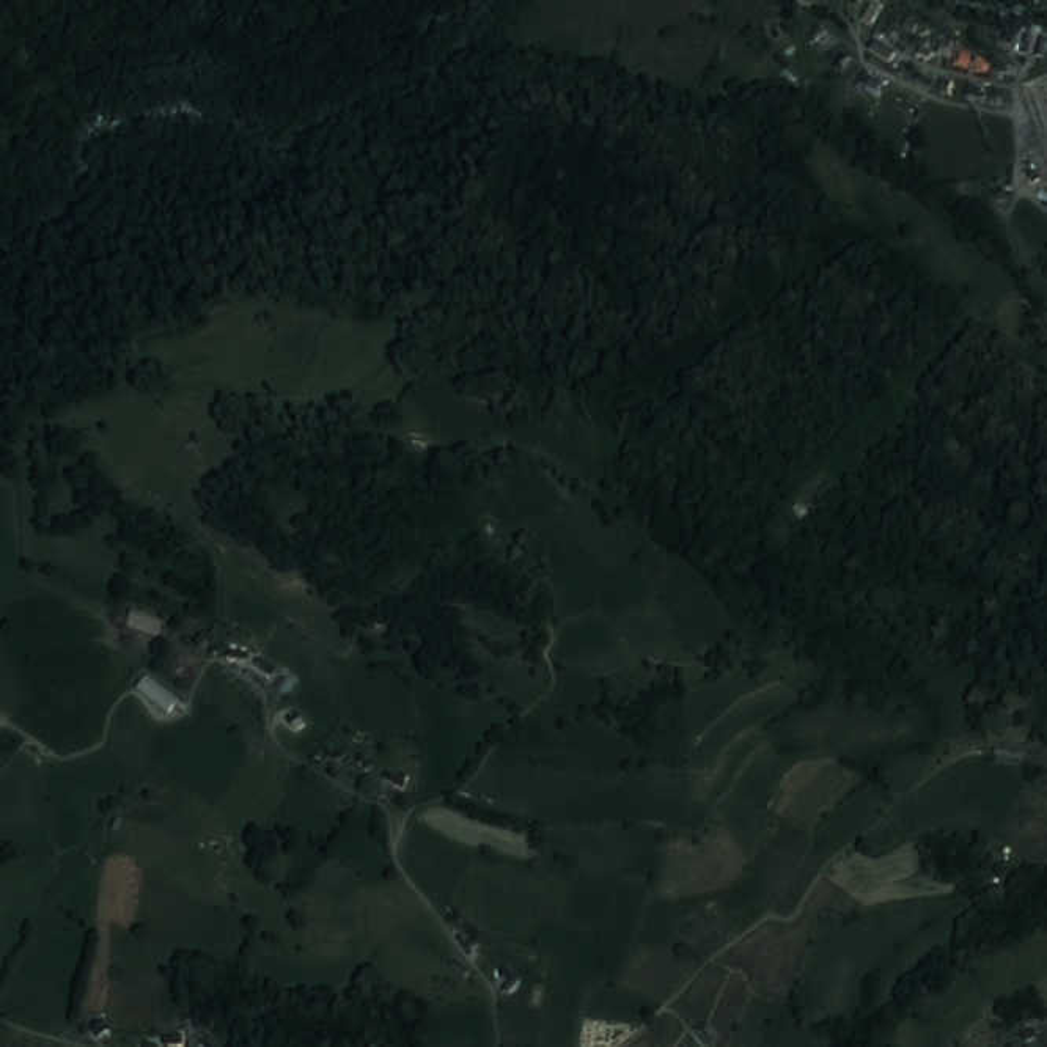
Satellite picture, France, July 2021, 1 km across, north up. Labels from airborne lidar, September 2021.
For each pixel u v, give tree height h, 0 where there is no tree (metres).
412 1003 13
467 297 28
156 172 24
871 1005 8
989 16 19
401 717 0
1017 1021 8
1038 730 8
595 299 26
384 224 22
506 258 32
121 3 24
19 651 0
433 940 0
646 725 10
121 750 0
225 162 8
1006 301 0
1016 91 0
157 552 13
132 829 0
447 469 27
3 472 12
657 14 0
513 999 0
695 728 0
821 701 10
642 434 16
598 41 0
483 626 0
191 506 0
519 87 21
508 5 23
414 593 8
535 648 12
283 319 0
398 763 0
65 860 0
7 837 0
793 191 22
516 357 13
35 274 23
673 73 0
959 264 0
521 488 0
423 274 25
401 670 12
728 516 8
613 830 0
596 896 0
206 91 31
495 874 0
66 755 0
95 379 26
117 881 0
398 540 13
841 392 17
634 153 18
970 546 27
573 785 0
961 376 24
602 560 0
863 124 7
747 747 0
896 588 7
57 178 27
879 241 14
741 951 0
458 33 24
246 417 22
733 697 0
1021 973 0
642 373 11
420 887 0
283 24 34
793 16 9
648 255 11
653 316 22
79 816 0
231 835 0
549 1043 0
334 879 0
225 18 28
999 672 8
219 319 0
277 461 11
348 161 28
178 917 0
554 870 0
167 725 0
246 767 0
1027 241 0
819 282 15
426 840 0
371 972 20
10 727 0
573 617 0
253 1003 17
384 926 0
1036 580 10
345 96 26
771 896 0
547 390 6
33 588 0
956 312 8
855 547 26
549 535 0
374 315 11
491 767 0
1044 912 16
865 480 22
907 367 16
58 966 0
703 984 0
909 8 7
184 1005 15
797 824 0
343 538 10
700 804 0
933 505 21
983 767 0
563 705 0
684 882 0
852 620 19
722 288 24
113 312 25
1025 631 12
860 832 0
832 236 8
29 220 27
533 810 0
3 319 38
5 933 0
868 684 7
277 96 25
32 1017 0
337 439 21
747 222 12
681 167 23
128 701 0
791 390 25
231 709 0
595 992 0
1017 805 0
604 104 23
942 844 10
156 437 0
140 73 26
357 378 0
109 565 0
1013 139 0
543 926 0
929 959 11
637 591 0
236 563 0
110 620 0
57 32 26
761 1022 0
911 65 6
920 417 14
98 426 0
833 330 27
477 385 22
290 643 0
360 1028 9
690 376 18
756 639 0
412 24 26
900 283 20
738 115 28
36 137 19
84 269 16
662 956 0
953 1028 0
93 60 25
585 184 24
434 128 25
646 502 12
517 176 14
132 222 21
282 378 0
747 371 24
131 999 0
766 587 21
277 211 10
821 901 0
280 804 0
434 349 20
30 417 8
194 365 0
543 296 24
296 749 0
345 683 0
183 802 0
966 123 0
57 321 16
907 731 0
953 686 0
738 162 29
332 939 0
